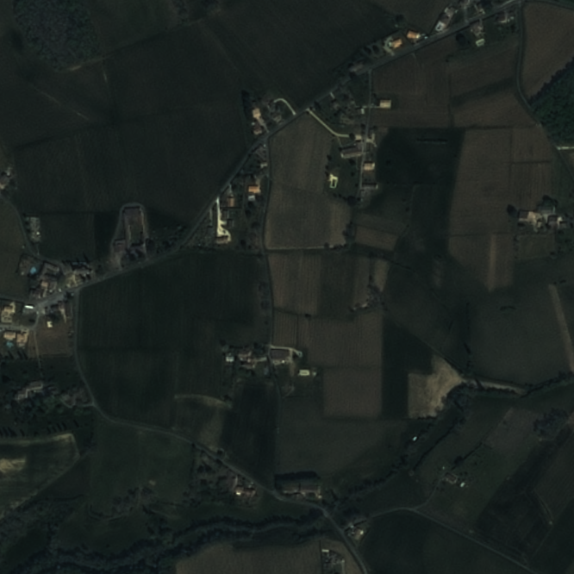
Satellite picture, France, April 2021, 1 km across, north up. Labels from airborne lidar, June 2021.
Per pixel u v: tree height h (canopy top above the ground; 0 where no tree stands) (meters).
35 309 0
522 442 0
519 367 0
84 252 0
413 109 0
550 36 0
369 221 0
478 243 0
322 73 0
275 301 0
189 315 0
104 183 0
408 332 0
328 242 0
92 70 0
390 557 0
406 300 0
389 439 0
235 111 0
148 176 0
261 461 0
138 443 0
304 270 0
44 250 0
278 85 0
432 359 0
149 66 0
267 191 0
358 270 0
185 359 0
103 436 0
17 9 13
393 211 0
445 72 0
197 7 0
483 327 0
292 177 0
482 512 0
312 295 0
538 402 0
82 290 0
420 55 0
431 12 0
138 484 0
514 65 0
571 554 0
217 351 0
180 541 15
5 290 0
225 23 0
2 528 12
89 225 0
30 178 0
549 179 0
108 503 0
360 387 0
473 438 0
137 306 0
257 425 0
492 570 0
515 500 0
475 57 0
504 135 0
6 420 0
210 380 0
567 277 0
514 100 0
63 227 0
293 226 0
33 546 0
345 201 8
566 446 0
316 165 0
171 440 0
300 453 0
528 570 0
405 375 0
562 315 0
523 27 0
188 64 0
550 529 0
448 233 0
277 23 0
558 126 21
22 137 0
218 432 0
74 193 0
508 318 0
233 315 0
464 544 0
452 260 0
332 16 0
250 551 0
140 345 0
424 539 0
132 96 0
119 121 0
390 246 0
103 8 0
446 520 0
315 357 0
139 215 0
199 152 0
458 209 0
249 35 0
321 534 15
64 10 20
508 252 0
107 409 0
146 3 0
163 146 0
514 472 0
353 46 0
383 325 0
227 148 0
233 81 0
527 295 0
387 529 0
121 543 0
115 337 0
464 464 8
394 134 0
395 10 0
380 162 0
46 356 0
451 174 0
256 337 0
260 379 0
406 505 0
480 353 0
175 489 0
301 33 0
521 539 0
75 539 0
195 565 0
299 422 0
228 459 0
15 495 0
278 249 0
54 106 0
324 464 0
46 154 0
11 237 0
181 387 0
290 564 0
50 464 0
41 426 0
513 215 15
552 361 0
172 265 0
